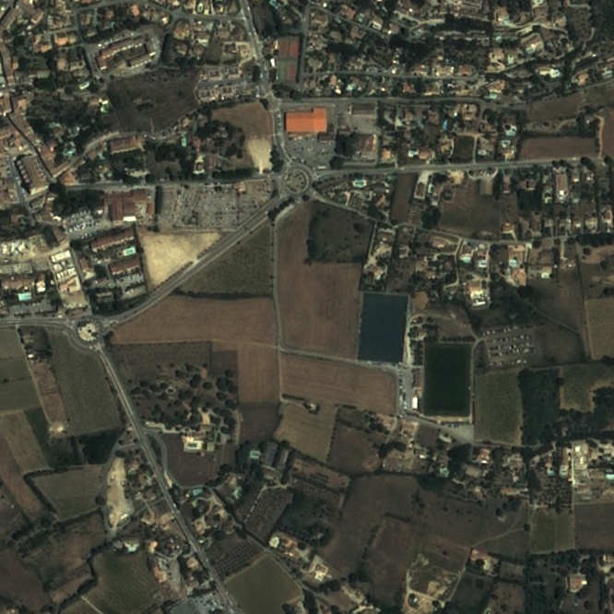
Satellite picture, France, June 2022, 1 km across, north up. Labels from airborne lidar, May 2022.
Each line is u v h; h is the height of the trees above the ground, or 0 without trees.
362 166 0
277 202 0
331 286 0
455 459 10
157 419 9
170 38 19
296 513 0
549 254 0
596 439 7
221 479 11
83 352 0
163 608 11
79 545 0
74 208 10
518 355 0
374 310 0
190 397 11
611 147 0
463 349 0
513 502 18
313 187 7
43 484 0
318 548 9
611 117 0
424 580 0
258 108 0
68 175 0
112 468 0
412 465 0
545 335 0
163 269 0
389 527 0
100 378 0
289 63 0
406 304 0
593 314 0
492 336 0
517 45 19
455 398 0
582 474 0
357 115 0
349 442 0
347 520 0
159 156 10
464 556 0
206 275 0
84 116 14
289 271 0
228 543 0
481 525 0
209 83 0
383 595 0
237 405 9
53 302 8
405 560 0
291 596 0
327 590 7
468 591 0
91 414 0
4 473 0
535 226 0
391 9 10
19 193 0
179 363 0
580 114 7
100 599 0
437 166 0
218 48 0
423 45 11
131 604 0
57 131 0
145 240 0
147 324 0
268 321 0
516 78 6
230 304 0
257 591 0
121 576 0
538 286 0
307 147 0
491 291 8
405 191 0
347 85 6
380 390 0
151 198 0
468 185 0
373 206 6
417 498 6
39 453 0
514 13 19
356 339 0
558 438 8
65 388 0
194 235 0
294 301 0
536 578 7
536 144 0
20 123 0
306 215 0
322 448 0
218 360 0
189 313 0
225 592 0
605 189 8
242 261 0
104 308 11
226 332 0
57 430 0
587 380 0
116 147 0
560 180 0
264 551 0
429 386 0
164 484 0
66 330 0
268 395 0
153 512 0
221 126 8
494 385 0
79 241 8
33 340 0
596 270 0
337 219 0
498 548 0
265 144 0
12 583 0
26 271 0
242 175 20
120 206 0
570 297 0
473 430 0
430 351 0
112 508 0
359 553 0
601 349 0
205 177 17
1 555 0
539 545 0
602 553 8
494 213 0
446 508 6
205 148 9
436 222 6
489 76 7
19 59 6
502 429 0
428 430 0
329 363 0
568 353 0
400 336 0
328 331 0
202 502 10
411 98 8
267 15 0
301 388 0
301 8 12
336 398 0
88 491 0
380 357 0
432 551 0
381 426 7
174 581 0
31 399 0
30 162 0
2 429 0
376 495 0
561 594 15
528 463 9
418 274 6
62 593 0
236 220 0
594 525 0
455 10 0
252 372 0
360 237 6
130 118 0
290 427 0
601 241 11
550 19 6
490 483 6
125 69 0
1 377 0
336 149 10
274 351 0
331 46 12
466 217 0
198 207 0
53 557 0
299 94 15
